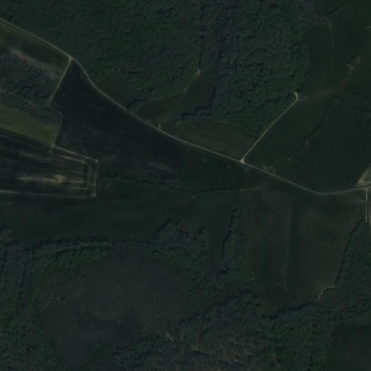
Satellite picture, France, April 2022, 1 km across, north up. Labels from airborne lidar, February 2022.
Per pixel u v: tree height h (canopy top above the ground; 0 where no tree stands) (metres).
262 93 27
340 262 0
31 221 0
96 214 0
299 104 0
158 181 0
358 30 0
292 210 0
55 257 27
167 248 25
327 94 0
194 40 23
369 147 0
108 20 17
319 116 0
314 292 0
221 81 22
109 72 19
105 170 0
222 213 0
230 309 29
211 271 24
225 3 25
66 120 0
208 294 27
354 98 0
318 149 0
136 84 12
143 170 0
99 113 0
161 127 0
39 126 0
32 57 0
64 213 0
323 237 0
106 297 11
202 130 0
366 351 0
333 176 0
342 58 0
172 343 26
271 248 0
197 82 0
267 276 0
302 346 25
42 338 25
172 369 26
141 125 0
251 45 27
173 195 0
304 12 23
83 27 19
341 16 0
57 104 0
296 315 27
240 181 0
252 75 30
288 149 0
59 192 0
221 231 0
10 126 0
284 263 0
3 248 19
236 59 29
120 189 0
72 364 14
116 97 0
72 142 0
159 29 25
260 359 31
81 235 0
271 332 29
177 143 0
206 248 15
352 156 0
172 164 0
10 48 0
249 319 31
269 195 0
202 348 27
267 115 23
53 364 30
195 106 0
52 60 0
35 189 0
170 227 19
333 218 0
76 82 0
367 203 0
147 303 0
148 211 0
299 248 0
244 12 26
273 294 0
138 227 0
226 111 25
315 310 19
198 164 0
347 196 0
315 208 0
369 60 0
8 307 30
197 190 0
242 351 31
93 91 0
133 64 21
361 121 0
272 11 21
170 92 24
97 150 0
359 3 0
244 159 0
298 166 0
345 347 0
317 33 0
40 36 18
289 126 0
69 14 19
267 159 0
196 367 25
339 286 12
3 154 0
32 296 21
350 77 0
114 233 0
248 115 25
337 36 0
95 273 13
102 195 0
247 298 29
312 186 0
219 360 26
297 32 21
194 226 0
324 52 0
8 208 0
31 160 0
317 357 24
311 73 0
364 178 0
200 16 18
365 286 13
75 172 0
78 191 0
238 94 26
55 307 14
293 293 0
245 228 0
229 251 25
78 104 0
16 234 0
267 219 0
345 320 22
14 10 18
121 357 26
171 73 16
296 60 26
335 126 0
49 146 0
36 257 22
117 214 0
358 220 0
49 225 0
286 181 0
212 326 31
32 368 28
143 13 24
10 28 0
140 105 20
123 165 0
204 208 0
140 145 0
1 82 28
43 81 22
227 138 0
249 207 0
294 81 24
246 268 18
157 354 26
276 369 28
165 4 30
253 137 0
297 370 25
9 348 17
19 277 30
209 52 19
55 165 0
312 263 0
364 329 0
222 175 0
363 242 16
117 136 0
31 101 27
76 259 22
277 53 23
